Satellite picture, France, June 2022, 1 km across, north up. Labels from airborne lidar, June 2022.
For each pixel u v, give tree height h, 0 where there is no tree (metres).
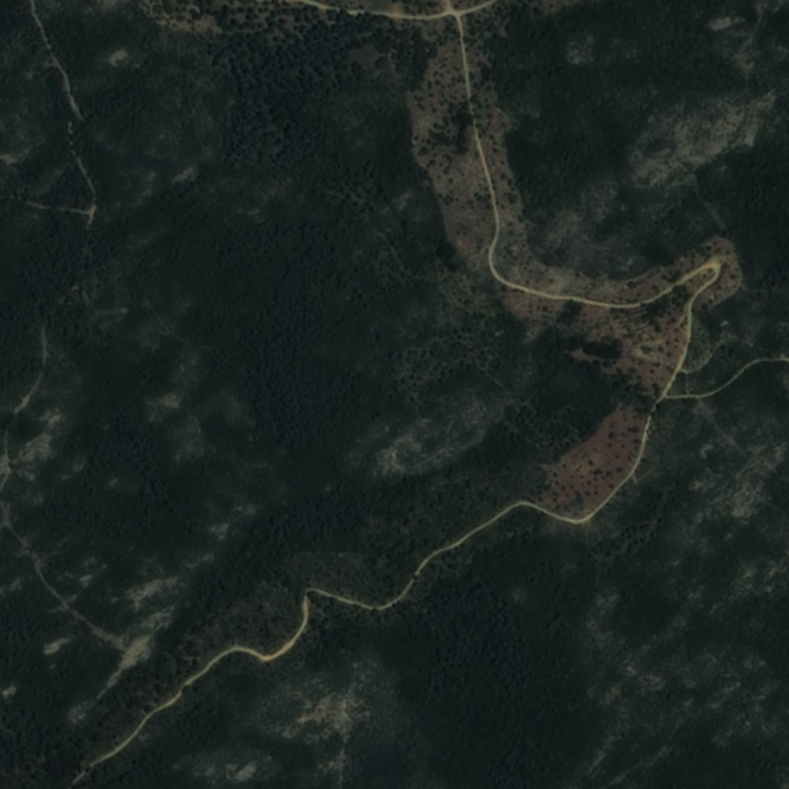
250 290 6
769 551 7
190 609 6
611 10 7
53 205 10
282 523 13
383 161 6
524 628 7
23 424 6
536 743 8
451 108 6
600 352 13
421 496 11
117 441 13
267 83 18
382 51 10
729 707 7
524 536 8
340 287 8
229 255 12
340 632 7
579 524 0
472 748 6
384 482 6
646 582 7
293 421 16
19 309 16
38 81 5
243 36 13
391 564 9
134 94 13
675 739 6
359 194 10
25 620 11
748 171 8
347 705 0
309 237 17
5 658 13
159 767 12
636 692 6
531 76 11
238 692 5
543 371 12
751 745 9
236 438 6
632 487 0
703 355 0
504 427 13
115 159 6
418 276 12
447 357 7
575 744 6
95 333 7
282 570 6
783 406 6
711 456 5
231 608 13
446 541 8
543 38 14
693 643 6
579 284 0
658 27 7
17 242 6
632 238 0
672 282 7
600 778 8
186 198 17
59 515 11
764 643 12
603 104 8
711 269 0
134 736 0
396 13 0
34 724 13
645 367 0
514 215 0
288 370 16
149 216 6
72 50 7
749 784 8
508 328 6
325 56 26
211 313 9
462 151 8
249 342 12
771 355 12
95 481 6
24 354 6
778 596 7
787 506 7
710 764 7
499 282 0
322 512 15
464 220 0
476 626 13
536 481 0
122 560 6
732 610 8
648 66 6
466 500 8
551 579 6
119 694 14
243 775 0
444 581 5
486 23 6
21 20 11
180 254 11
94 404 6
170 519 5
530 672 6
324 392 18
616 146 6
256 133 20
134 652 0
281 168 9
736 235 7
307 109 11
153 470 14
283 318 15
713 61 10
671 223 10
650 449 0
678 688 6
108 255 14
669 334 0
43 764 6
